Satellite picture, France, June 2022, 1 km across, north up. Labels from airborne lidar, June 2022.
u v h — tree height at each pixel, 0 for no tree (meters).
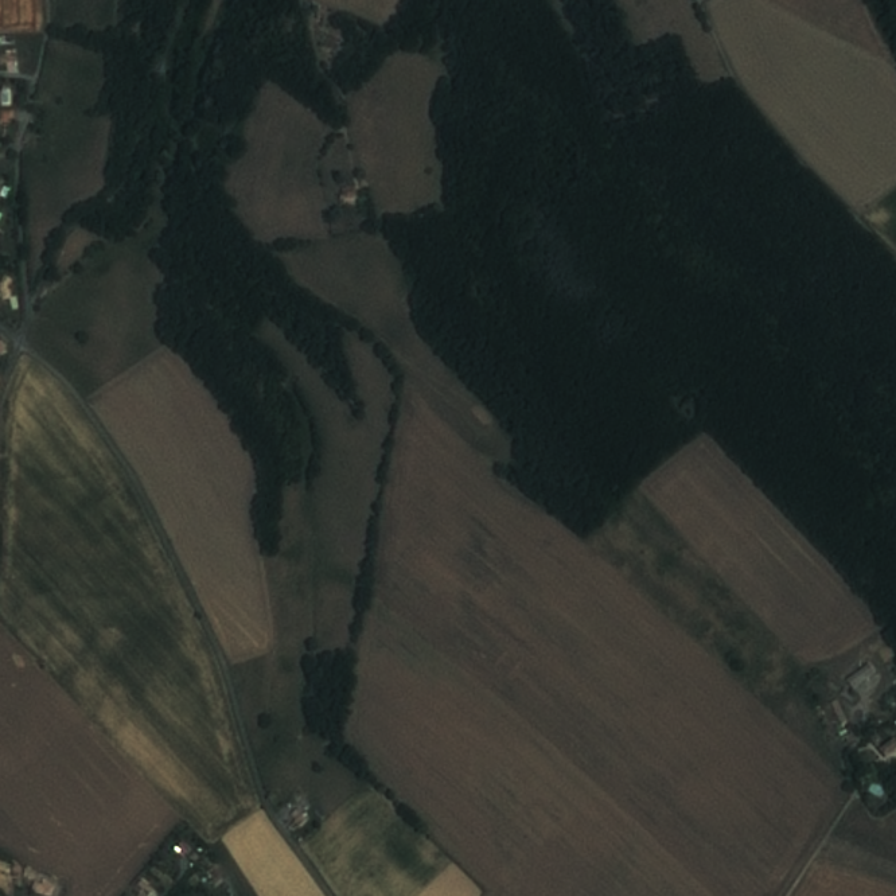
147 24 15
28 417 0
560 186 13
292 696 0
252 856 0
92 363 0
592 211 16
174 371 0
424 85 0
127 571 0
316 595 0
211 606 0
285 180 0
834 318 19
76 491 0
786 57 0
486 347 29
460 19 16
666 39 15
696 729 0
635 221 21
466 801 0
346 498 0
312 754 0
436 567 0
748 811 0
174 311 18
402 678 0
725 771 0
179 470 0
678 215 21
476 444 0
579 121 22
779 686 0
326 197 0
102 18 0
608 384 15
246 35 8
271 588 0
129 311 0
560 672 0
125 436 0
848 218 12
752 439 17
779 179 15
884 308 15
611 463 15
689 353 19
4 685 0
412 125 0
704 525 0
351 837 0
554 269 14
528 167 17
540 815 0
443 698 0
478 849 0
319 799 0
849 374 18
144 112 19
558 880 0
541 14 20
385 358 13
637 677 0
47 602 0
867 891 0
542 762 0
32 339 0
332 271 0
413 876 0
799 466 19
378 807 0
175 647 0
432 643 0
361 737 0
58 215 0
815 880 0
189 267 29
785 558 0
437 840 0
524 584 0
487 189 13
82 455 0
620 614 0
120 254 0
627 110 28
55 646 0
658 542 0
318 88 9
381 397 0
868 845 0
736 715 0
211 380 15
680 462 0
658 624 0
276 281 13
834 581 0
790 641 0
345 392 10
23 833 0
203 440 0
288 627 0
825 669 0
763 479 15
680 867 0
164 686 0
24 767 0
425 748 0
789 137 0
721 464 0
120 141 11
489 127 18
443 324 22
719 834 0
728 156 11
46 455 0
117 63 15
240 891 0
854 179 0
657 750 0
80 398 0
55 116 0
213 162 13
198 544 0
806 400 24
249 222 0
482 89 20
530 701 0
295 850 0
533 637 0
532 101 18
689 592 0
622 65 25
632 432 13
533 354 17
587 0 9
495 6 16
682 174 19
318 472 14
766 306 20
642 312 14
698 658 0
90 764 0
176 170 24
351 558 0
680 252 22
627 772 0
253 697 0
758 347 21
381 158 0
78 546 0
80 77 0
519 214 8
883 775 14
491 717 0
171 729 0
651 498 0
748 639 0
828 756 0
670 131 21
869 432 23
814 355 20
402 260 9
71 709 0
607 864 0
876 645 0
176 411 0
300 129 0
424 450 0
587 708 0
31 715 0
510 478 18
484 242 14
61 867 0
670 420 12
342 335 12
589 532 19
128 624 0
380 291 0
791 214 14
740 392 19
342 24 20
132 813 0
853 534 17
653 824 0
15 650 0
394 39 23
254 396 15
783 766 0
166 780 0
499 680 0
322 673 20
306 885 0
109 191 11
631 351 15
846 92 0
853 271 14
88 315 0
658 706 0
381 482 13
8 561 0
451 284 25
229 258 22
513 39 16
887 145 0
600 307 15
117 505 0
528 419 21
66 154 0
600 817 0
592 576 0
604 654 0
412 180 0
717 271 22
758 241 18
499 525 0
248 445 13
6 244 0
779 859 0
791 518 11
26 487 0
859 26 0
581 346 11
